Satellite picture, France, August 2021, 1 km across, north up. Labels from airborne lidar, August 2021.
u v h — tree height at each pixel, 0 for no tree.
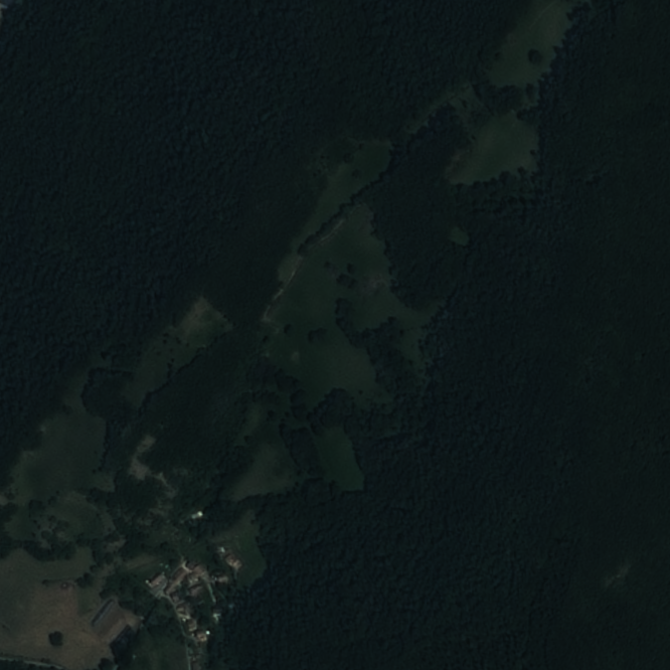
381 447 21
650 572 11
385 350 17
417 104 24
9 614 0
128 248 26
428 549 26
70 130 22
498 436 26
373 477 21
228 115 25
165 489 8
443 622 25
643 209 19
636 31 20
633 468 17
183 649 0
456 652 12
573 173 25
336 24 22
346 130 17
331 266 18
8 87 22
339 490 13
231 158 23
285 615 24
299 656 17
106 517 0
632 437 25
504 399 27
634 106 23
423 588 29
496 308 26
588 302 20
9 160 15
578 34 18
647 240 21
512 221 28
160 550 8
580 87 23
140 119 23
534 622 14
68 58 18
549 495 22
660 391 22
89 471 0
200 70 25
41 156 16
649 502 20
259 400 19
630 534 18
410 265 18
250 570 0
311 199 15
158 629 15
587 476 17
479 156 0
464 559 25
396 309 0
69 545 10
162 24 23
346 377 0
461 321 22
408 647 21
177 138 28
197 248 19
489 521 26
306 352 0
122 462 7
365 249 0
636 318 22
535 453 21
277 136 24
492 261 23
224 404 12
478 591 25
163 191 24
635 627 22
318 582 23
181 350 0
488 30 24
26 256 22
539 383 24
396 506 21
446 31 25
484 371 26
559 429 24
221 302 15
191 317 0
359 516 23
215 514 14
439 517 22
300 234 11
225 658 11
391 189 16
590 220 19
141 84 21
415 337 0
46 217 17
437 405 19
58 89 21
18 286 22
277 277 15
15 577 0
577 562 8
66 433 0
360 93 25
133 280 24
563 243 19
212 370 16
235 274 15
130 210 20
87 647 0
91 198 24
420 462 20
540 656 10
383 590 27
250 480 0
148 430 12
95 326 22
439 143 24
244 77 20
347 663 18
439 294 22
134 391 0
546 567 12
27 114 17
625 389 20
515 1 21
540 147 0
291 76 25
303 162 15
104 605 0
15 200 20
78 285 22
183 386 11
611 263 16
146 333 18
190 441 16
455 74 25
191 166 22
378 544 26
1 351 24
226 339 15
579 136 21
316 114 21
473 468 21
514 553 23
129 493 14
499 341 21
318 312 0
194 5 19
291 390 11
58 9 20
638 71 24
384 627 21
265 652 11
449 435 24
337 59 23
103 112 20
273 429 0
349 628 23
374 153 0
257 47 23
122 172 22
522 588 25
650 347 25
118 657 17
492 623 24
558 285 21
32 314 23
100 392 17
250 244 13
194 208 23
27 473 0
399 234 17
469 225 19
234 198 25
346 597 26
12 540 13
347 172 0
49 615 0
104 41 22
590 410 18
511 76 0
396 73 25
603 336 21
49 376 21
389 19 26
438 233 17
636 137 17
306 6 22
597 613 15
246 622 14
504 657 16
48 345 22
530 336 20
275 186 18
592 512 14
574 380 23
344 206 16
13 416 25
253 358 17
